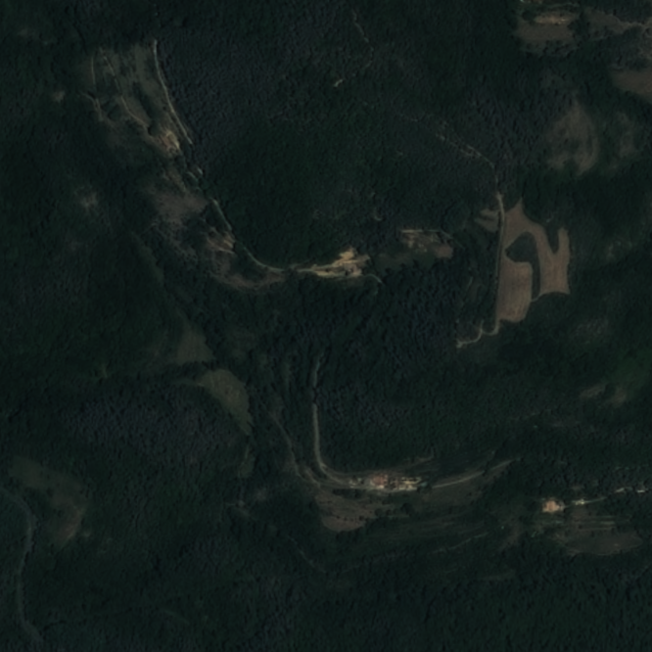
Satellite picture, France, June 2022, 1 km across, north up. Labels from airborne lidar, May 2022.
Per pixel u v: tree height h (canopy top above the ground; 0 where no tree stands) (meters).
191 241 17
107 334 20
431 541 6
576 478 14
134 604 9
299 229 18
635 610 19
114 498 8
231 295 11
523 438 9
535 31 0
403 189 17
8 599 12
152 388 8
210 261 7
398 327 16
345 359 7
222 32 9
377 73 6
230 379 0
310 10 9
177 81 13
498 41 26
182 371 11
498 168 10
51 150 12
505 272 0
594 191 13
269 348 10
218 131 16
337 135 10
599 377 0
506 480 9
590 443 9
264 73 14
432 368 8
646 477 16
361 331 16
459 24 14
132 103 0
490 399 18
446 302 14
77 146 16
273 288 11
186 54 18
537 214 11
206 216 15
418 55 13
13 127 19
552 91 12
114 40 14
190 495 19
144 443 24
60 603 21
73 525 0
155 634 11
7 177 11
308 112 7
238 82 14
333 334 24
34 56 10
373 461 11
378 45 9
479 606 21
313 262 11
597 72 22
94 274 16
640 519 15
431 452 19
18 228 24
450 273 12
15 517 26
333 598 7
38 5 8
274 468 11
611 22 0
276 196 17
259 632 17
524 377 16
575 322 8
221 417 14
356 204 10
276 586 9
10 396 21
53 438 22
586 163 0
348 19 12
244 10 17
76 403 23
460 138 9
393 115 14
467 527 6
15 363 15
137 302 16
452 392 16
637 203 9
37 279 19
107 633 19
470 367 9
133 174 20
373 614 19
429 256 0
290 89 10
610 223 9
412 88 8
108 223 10
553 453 14
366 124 12
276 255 17
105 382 18
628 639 20
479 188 13
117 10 11
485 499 9
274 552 17
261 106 12
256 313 9
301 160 16
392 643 24
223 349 19
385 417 16
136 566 26
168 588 14
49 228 18
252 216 17
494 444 14
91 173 17
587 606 18
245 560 14
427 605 26
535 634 15
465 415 11
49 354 21
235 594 16
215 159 12
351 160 11
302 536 12
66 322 11
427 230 10
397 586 16
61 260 12
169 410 6
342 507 0
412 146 11
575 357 10
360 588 18
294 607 17
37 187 9
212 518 8
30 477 0
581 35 12
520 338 10
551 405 16
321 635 18
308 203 11
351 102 13
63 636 27
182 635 13
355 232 15
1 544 14
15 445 18
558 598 13
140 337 16
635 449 16
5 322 9
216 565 23
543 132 13
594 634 19
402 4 10
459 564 9
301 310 7
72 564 10
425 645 17
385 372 11
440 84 14
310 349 8
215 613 10
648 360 0
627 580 23
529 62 22
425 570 6
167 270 17
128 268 13
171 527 11
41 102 8
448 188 15
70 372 17
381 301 8
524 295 0
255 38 13
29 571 14
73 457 14
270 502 8
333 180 16
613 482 15
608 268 12
